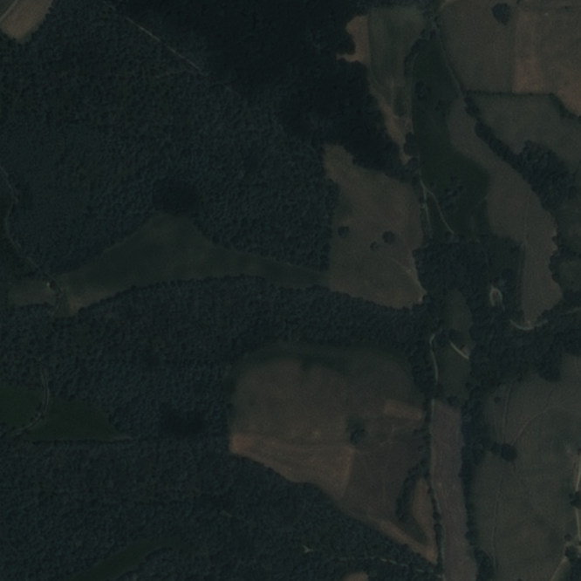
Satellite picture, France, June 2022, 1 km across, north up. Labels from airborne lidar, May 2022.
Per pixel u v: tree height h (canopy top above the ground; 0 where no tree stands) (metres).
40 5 0
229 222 16
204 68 20
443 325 10
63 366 11
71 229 23
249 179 24
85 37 16
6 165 13
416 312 22
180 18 25
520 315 13
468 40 0
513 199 0
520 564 0
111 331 16
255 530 10
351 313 11
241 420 0
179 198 29
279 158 13
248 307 17
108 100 10
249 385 0
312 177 15
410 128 0
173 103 10
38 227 26
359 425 0
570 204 0
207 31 23
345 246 0
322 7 29
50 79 16
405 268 0
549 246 0
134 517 15
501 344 15
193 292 18
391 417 0
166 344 14
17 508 25
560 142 0
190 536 15
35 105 14
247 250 8
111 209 25
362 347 0
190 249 0
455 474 0
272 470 15
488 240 15
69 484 20
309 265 19
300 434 0
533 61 0
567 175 22
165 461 17
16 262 7
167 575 13
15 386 6
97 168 14
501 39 0
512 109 0
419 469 9
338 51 26
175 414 27
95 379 11
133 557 0
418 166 16
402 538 0
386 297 0
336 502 0
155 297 15
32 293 0
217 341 21
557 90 0
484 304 19
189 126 15
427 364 10
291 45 35
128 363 25
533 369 9
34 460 12
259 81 28
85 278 0
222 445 11
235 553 14
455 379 0
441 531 13
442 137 0
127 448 14
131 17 21
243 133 12
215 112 20
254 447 0
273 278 0
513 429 0
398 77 0
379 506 0
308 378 0
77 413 0
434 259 20
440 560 11
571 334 21
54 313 8
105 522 18
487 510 0
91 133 22
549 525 0
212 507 12
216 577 14
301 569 19
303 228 20
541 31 0
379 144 31
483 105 0
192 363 28
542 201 8
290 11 31
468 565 0
